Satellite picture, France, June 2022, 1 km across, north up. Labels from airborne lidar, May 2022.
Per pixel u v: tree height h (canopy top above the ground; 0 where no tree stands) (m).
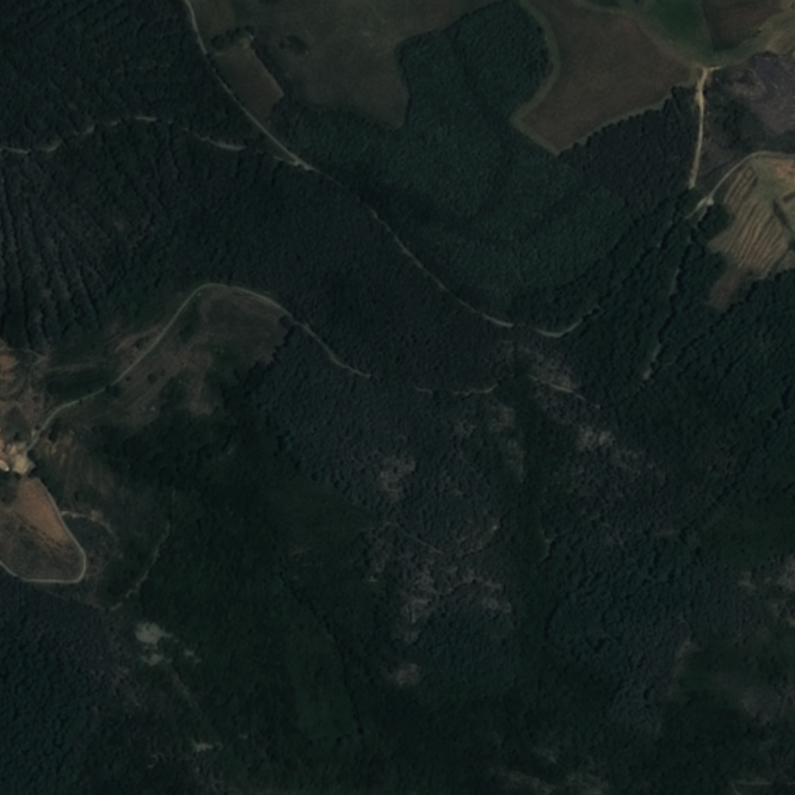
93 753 15
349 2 0
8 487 0
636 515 14
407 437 18
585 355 16
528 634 18
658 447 24
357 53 0
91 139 7
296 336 23
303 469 34
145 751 12
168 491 8
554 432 11
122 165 19
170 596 15
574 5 0
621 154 17
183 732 8
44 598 16
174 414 6
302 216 20
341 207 19
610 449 11
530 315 22
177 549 17
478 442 18
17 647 19
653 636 18
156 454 8
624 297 29
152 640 0
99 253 6
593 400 21
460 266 11
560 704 15
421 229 12
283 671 22
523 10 11
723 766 18
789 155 0
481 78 13
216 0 0
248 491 11
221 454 6
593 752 11
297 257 18
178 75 18
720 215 24
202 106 11
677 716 13
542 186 11
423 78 11
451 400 27
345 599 7
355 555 7
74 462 0
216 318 0
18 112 17
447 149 7
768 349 34
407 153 12
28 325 21
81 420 0
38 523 0
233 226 21
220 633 18
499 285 11
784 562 15
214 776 9
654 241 24
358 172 10
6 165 9
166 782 14
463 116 12
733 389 31
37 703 41
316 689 7
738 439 9
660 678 18
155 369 0
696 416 27
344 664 10
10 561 0
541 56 9
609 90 0
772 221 0
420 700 20
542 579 16
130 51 17
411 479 18
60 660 17
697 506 15
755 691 0
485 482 17
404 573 9
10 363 0
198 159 16
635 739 14
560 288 11
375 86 0
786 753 14
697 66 0
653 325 30
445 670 30
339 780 6
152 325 0
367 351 17
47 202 17
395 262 18
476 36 11
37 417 0
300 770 19
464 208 10
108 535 0
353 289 23
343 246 16
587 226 11
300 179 18
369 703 17
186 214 18
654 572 24
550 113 0
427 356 21
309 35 0
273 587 30
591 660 31
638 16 0
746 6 0
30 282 19
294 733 18
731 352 29
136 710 6
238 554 30
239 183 19
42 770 36
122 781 16
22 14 10
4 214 15
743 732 9
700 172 0
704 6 0
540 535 8
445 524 22
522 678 18
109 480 0
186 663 14
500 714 13
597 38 0
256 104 0
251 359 0
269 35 0
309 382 22
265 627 17
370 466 12
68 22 9
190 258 17
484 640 24
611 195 12
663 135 17
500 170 9
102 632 15
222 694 10
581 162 16
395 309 20
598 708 13
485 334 9
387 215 10
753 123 0
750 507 14
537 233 13
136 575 10
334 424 22
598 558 23
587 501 16
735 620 19
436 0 0
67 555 0
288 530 7
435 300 16
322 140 11
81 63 13
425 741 14
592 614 31
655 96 0
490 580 14
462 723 14
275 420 21
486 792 13
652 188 19
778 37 0
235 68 0
